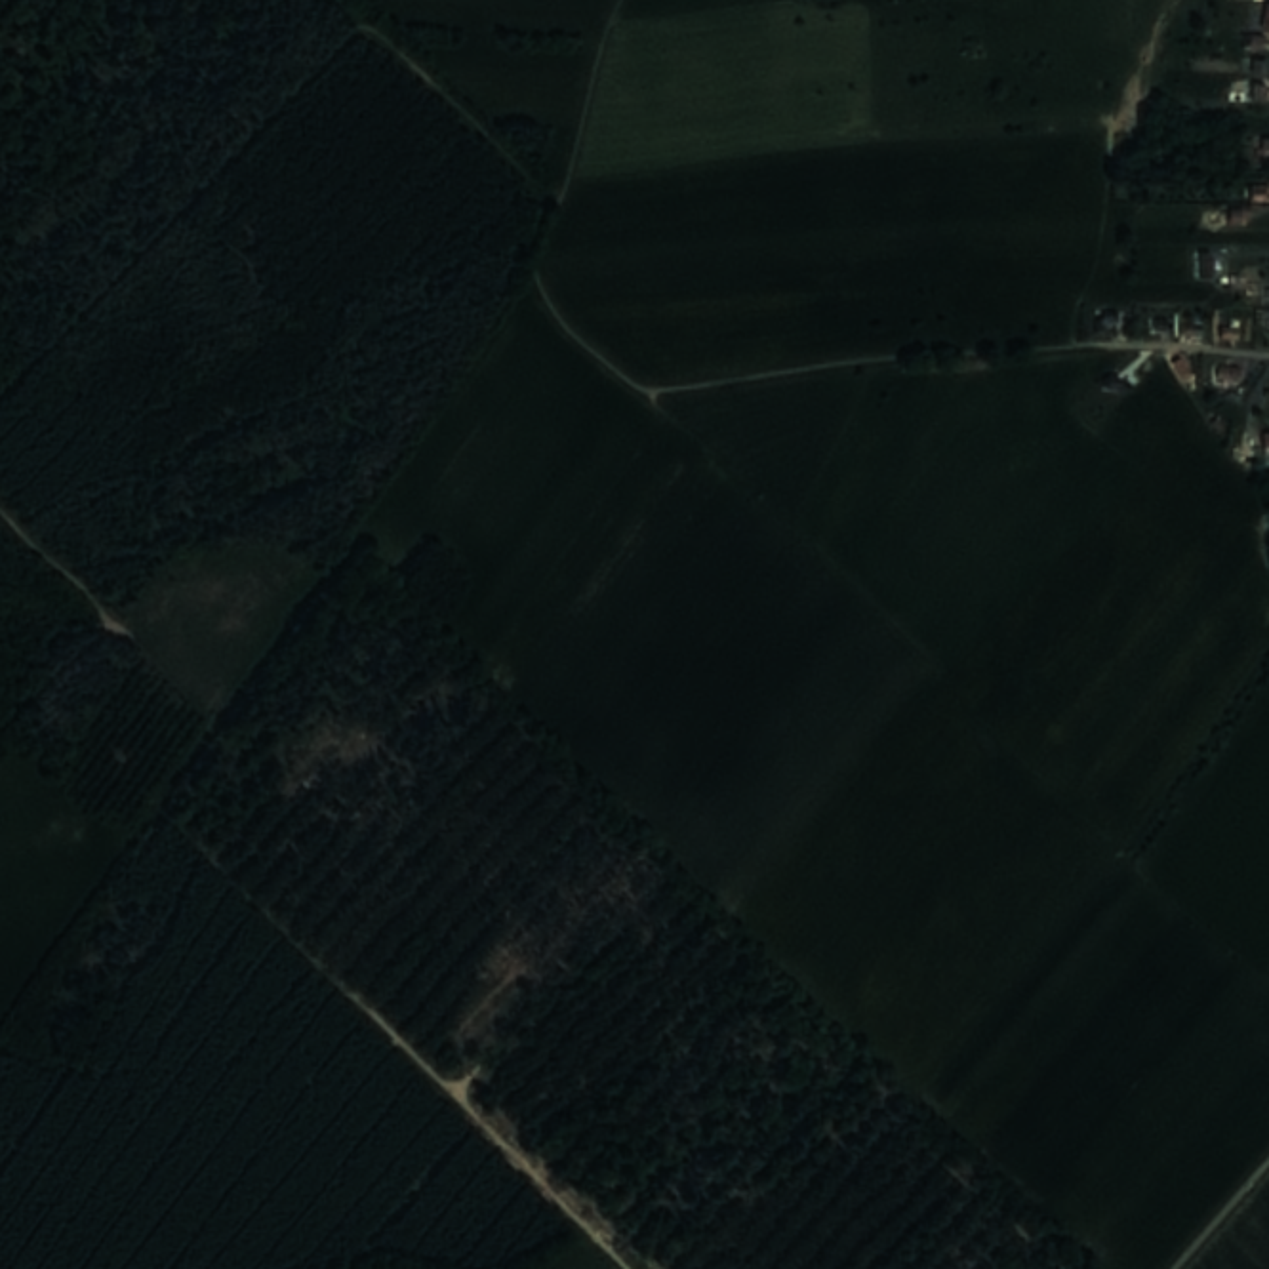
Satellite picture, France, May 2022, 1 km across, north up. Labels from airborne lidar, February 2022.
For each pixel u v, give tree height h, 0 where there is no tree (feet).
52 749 53
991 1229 65
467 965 53
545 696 0
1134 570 0
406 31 25
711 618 0
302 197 38
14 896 0
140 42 80
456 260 37
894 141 0
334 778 59
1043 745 0
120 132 83
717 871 0
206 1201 45
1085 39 0
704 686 0
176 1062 37
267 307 57
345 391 64
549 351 0
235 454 48
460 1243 45
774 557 0
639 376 0
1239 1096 0
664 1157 73
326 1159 41
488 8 0
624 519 0
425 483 0
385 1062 40
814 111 0
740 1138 82
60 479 45
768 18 0
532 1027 47
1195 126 66
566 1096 43
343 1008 39
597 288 0
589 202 0
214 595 0
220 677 0
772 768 0
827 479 0
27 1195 36
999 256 0
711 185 0
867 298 0
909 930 0
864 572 0
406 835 57
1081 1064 0
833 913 0
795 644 0
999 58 0
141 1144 42
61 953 23
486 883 51
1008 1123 0
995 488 0
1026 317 0
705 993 64
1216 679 0
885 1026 0
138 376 51
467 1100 0
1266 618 0
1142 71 0
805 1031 67
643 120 0
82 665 74
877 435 0
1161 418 0
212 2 71
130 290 48
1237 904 0
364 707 62
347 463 44
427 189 38
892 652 0
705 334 0
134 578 55
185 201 51
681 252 0
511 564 0
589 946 57
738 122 0
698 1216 52
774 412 0
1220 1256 0
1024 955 0
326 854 52
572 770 23
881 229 0
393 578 62
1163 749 0
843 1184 49
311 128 44
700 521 0
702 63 0
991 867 0
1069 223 0
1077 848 0
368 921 52
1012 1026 0
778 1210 49
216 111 90
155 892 34
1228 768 0
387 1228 34
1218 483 0
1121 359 0
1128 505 0
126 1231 46
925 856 0
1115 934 0
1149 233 0
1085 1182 0
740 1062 85
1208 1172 0
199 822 55
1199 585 0
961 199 0
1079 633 0
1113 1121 0
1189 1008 0
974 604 0
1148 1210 0
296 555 55
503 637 0
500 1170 34
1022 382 0
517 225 42
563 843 50
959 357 51
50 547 54
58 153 58
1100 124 0
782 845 0
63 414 43
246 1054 41
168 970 35
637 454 0
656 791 0
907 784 0
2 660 42
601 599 0
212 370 48
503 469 0
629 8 0
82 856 0
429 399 70
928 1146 41
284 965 34
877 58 0
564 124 0
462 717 82
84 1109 41
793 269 0
